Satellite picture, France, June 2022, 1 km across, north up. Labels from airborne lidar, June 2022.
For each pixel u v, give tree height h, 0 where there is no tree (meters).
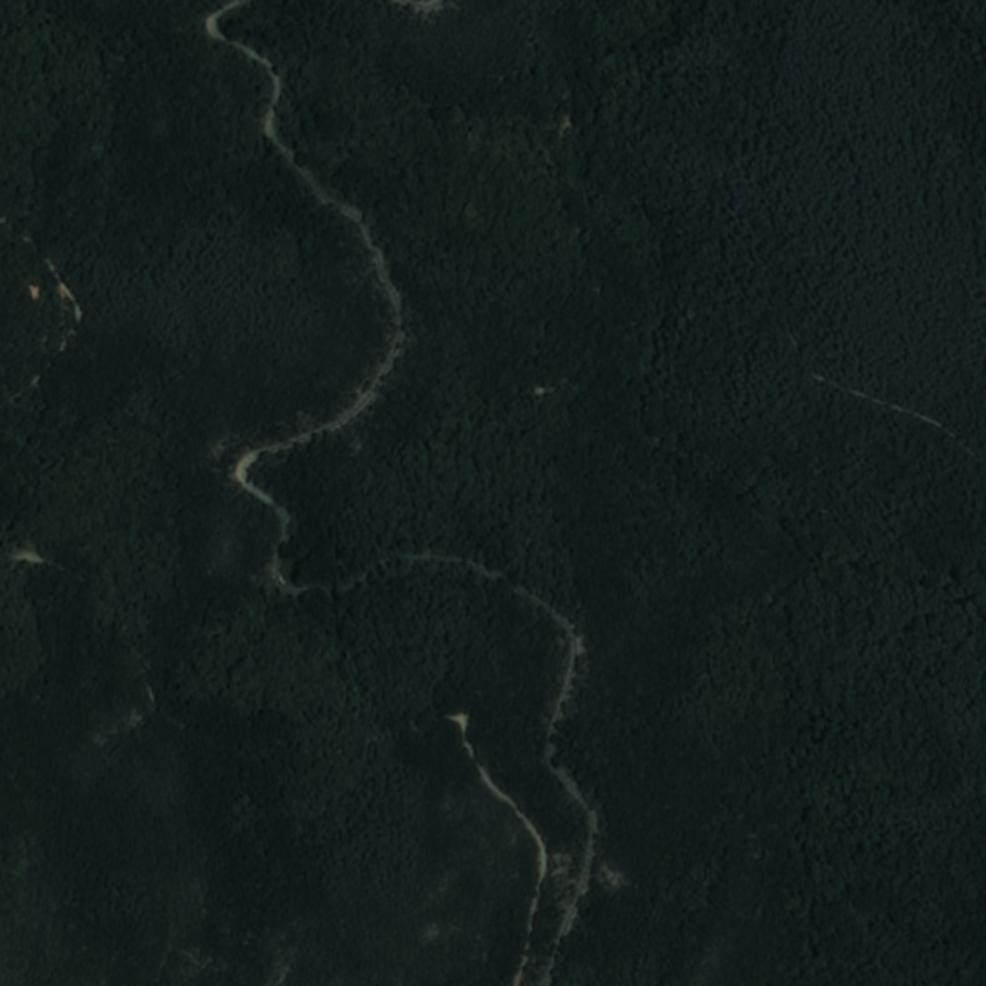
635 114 13
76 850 10
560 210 10
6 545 16
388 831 16
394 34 9
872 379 15
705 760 8
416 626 15
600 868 10
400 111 16
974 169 13
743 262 20
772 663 15
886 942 12
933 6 17
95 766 6
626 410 11
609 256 12
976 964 12
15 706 10
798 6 22
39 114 13
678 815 11
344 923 9
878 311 17
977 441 7
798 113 20
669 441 13
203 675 17
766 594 16
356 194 14
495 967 9
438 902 7
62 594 10
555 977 13
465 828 9
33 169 10
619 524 13
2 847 14
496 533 16
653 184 11
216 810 14
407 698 15
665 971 9
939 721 14
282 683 13
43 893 9
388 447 11
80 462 18
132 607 20
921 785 16
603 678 11
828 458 14
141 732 14
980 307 10
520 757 14
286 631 12
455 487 12
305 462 10
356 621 14
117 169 8
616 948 12
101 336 10
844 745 26
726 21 14
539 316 13
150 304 17
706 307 15
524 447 10
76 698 12
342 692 16
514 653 7
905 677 12
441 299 16
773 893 15
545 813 6
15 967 8
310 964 7
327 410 9
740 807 10
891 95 18
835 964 18
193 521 11
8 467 10
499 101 11
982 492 11
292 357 10
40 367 9
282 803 18
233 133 15
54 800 15
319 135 14
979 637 19
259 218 15
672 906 12
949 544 14
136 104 7
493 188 10
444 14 8
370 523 13
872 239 17
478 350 10
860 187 18
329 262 8
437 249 18
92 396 14
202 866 7
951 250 14
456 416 14
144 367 18
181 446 12
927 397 13
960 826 17
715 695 14
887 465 13
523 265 13
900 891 16
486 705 10
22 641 14
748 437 13
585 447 8
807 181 18
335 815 18
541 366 11
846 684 13
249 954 8
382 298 7
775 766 11
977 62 13
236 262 17
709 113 15
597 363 12
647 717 9
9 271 12
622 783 8
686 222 15
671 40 20
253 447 9
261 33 6
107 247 11
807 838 15
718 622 10
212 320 13
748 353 11
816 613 8
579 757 16
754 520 9
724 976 7
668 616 7
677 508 12
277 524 7
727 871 11
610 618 7
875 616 17
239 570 8
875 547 14
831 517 11
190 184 11
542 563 15
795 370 6
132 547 16
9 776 13
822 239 18
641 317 12
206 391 7
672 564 8
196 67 8
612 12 16
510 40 11
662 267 15
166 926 7
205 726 15
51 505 16
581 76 17
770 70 19
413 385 9
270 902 11
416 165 7
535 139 11
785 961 12
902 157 15
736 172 16
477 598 10
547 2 19
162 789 7
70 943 8
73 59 10
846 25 16
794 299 9
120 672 14
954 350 7
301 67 11
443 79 10
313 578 12
